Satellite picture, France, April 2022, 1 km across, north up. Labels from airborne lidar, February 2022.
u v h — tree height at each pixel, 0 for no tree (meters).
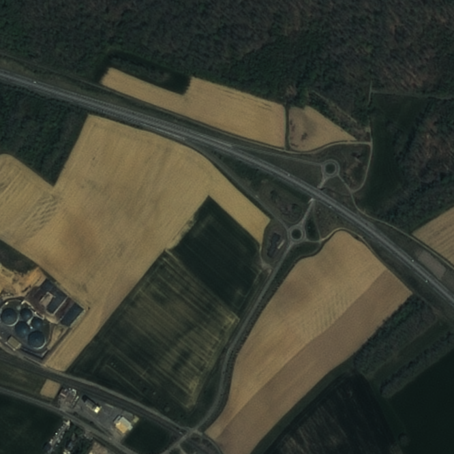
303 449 0
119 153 0
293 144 0
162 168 0
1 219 0
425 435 0
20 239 0
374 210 0
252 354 0
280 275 0
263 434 0
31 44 26
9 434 0
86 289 0
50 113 19
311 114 0
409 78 29
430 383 0
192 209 0
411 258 0
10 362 0
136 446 0
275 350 0
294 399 0
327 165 0
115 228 0
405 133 10
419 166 33
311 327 0
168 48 29
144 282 0
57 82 0
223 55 32
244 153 0
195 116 0
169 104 0
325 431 0
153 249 0
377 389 0
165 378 0
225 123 0
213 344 0
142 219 0
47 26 21
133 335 0
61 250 0
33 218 0
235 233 0
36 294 0
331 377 0
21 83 0
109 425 0
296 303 0
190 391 0
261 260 0
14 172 0
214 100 0
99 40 23
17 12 26
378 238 0
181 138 0
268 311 0
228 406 0
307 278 0
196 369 0
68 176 0
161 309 0
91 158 0
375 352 25
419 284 0
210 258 0
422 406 0
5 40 23
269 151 0
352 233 0
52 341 0
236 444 0
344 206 0
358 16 30
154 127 0
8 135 17
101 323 0
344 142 0
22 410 0
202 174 0
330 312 0
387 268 0
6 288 0
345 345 0
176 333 0
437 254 0
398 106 0
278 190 0
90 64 24
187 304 0
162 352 0
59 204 0
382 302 0
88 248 0
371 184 0
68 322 0
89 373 0
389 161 0
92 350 0
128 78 0
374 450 0
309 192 0
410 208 26
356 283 0
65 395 0
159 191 0
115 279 0
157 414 0
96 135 0
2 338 0
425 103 0
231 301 0
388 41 28
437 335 0
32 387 0
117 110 0
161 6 31
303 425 0
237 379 0
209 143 0
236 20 33
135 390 0
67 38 20
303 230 0
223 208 0
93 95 0
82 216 0
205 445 12
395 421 0
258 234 0
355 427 0
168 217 0
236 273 0
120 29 14
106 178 0
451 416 0
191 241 0
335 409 0
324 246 0
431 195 31
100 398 0
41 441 0
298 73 22
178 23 35
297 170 0
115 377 0
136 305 0
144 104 0
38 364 0
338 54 32
